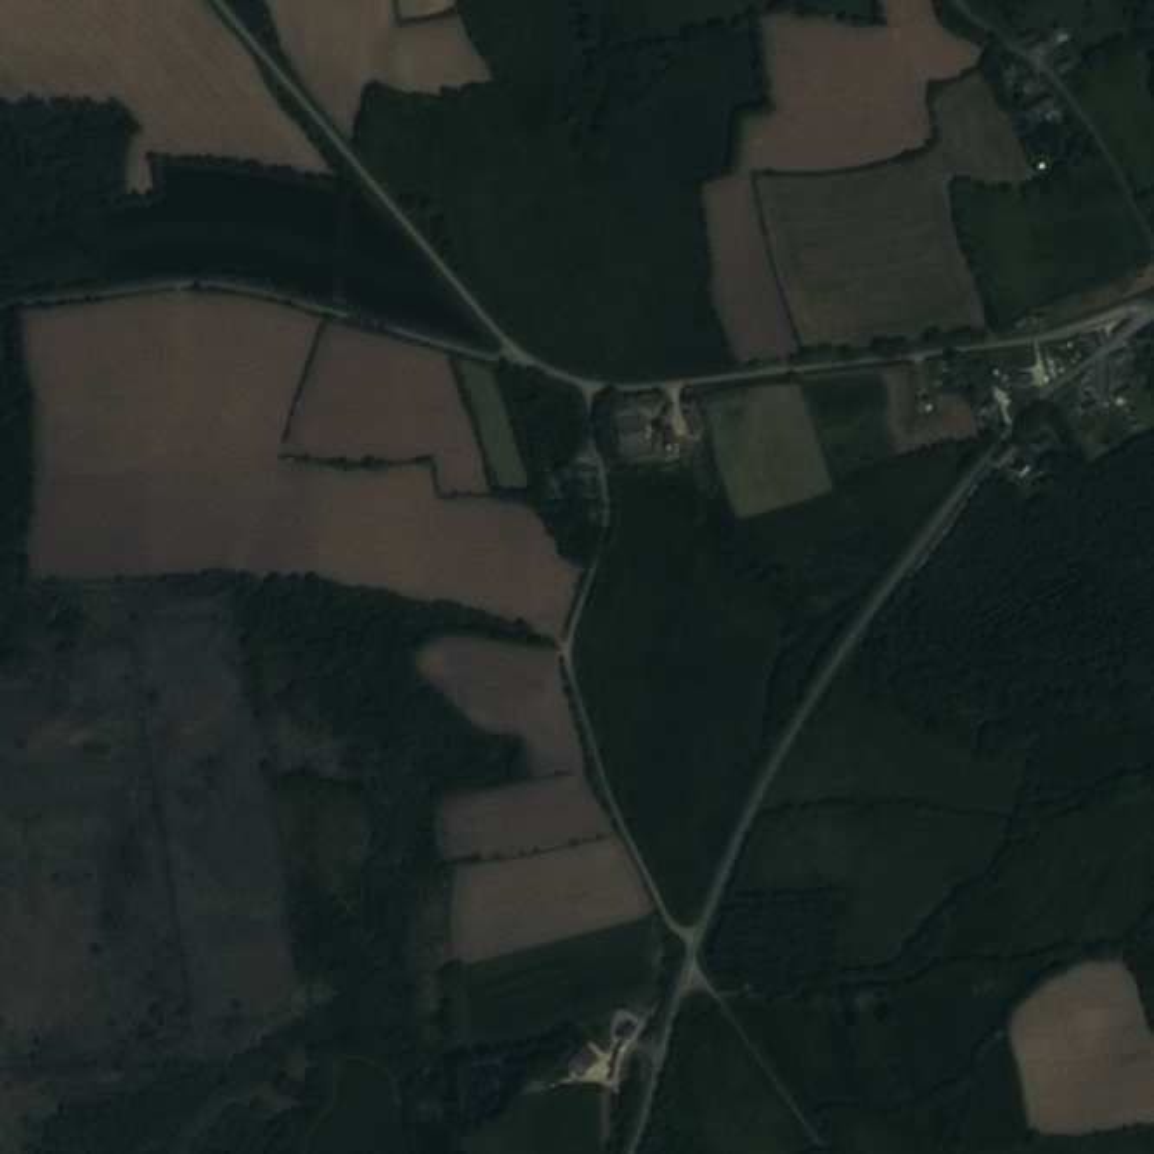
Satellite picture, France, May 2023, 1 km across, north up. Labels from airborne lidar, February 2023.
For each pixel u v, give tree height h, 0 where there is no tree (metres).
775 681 12
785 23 0
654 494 0
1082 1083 0
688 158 0
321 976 6
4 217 8
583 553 14
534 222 0
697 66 0
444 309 0
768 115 8
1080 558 8
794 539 0
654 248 0
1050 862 0
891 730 0
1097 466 10
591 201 0
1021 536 14
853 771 0
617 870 0
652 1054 0
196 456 0
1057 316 0
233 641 0
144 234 0
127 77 0
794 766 0
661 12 0
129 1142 9
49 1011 0
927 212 0
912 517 0
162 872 0
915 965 15
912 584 8
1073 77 10
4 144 12
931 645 15
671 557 0
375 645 0
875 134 0
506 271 0
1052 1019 0
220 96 0
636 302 0
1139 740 0
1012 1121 0
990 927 0
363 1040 11
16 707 0
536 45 0
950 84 6
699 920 0
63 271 0
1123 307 0
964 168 0
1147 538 8
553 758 0
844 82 0
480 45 7
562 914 0
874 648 15
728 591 0
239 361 0
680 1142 10
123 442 0
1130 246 0
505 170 0
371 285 0
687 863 0
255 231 0
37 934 0
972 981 0
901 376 0
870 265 0
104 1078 0
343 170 12
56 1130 7
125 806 0
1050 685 13
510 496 9
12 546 7
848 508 0
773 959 14
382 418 0
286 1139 11
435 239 7
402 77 0
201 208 0
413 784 8
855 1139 0
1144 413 0
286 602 6
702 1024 7
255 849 0
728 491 0
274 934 0
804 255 0
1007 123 0
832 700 7
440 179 0
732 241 0
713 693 0
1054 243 0
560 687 0
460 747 7
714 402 0
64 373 0
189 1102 8
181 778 0
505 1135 0
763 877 0
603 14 8
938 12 8
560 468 7
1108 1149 0
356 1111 0
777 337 0
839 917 11
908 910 0
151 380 0
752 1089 0
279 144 0
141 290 0
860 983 8
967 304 0
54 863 0
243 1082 7
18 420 10
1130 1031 0
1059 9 0
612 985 0
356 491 0
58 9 0
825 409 0
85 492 0
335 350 0
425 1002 0
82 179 10
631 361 0
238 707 0
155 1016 10
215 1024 0
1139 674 10
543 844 0
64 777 0
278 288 7
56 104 14
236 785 0
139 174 0
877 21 9
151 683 0
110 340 0
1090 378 0
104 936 0
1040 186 14
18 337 9
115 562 0
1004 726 15
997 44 14
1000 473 9
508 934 0
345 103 0
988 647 7
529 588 0
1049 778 0
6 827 0
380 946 7
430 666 0
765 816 6
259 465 0
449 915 0
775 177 7
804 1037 0
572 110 6
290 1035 7
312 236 0
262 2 6
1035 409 13
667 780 0
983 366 8
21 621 0
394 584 0
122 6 0
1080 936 0
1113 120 0
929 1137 10
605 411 11
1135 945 8
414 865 7
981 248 0
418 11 0
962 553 14
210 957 0
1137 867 0
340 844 0
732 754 0
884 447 0
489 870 0
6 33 0
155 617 0
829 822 0
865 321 0
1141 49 8
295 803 0
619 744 0
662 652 0
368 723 8
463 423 0
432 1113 0
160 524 0
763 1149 0
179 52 0
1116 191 0
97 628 0
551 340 0
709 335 0
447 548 0
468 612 7
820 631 6
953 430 0
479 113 0
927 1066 0
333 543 0
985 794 0
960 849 0
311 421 0
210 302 0
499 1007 0
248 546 0
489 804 0
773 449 0
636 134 0
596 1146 0
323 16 0
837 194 0
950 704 8
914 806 6
